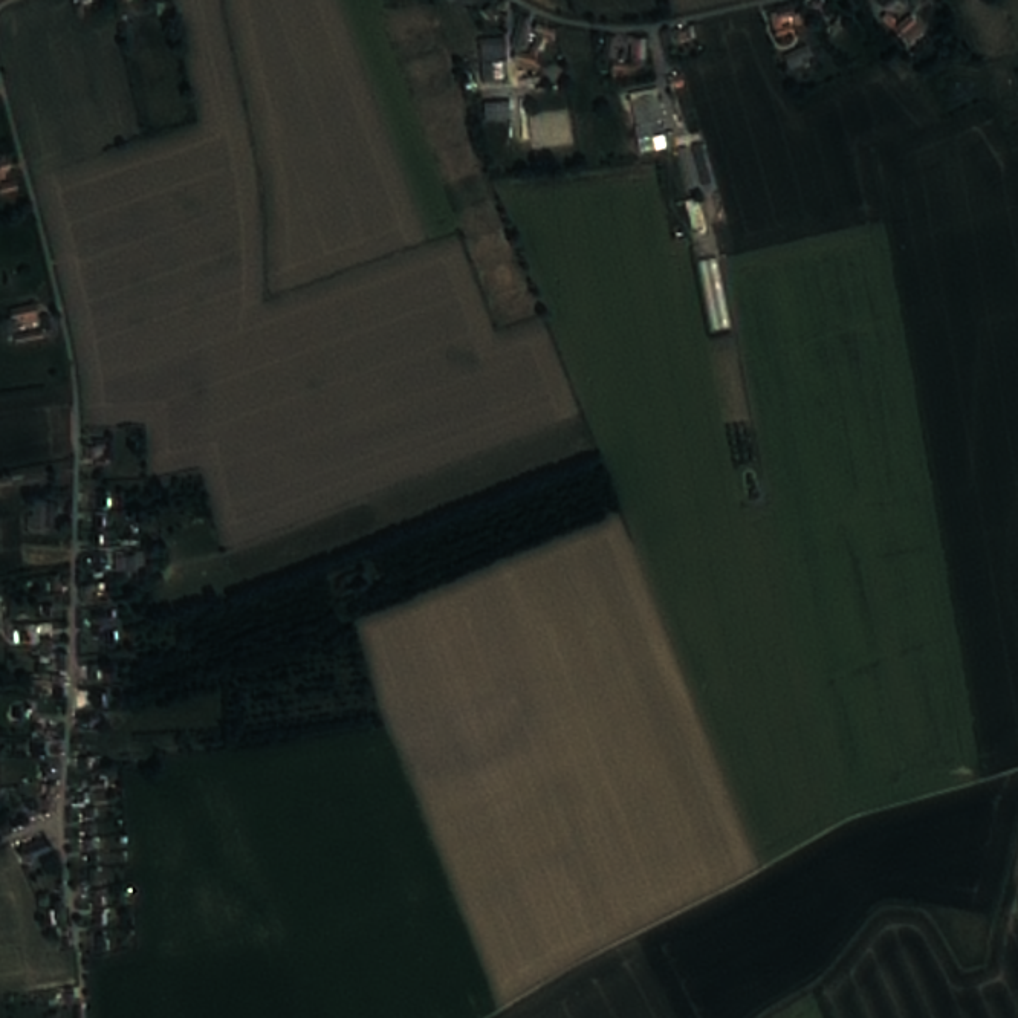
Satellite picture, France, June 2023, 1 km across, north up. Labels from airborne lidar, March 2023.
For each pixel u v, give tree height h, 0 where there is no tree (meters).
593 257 0
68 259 0
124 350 0
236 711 10
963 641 0
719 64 0
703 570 0
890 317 0
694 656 0
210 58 0
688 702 0
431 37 0
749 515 0
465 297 0
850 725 0
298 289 0
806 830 0
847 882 0
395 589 13
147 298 0
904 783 0
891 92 0
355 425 0
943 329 0
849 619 0
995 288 0
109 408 0
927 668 0
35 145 0
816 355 0
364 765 0
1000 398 0
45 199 0
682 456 0
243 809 0
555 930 0
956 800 0
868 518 0
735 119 0
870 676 0
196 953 0
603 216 0
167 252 0
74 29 0
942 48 17
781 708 0
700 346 0
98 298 0
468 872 0
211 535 0
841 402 0
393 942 0
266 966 0
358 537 0
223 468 0
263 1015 0
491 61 0
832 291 0
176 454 0
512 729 0
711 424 0
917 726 0
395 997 0
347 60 0
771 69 0
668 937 0
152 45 0
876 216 0
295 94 0
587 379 0
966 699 0
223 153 0
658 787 0
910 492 0
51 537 0
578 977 0
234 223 0
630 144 0
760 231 0
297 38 0
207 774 0
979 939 0
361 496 0
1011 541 0
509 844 0
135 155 0
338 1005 0
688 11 0
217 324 0
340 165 0
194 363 0
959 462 0
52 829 0
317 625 12
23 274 10
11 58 0
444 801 0
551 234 0
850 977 0
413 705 0
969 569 0
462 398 0
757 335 0
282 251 0
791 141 0
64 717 0
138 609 10
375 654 0
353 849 0
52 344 0
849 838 0
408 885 0
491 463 0
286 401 0
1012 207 0
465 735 0
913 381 0
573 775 0
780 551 0
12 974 0
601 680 0
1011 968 0
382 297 0
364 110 0
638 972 0
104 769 12
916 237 0
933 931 0
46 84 0
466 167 0
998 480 0
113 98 0
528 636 0
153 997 0
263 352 0
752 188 0
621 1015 0
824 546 0
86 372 0
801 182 0
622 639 0
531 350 0
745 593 0
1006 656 0
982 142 0
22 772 0
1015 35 0
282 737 12
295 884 0
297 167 0
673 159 0
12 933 0
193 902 0
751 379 0
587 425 0
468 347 0
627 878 0
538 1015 0
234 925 0
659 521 0
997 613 0
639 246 0
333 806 0
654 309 0
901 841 0
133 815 0
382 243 0
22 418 0
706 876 0
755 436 0
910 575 0
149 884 0
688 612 0
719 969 0
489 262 0
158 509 5
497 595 0
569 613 0
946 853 0
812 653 0
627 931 0
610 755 0
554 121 0
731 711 0
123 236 0
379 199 0
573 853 0
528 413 0
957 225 0
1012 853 0
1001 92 0
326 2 0
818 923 0
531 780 0
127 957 0
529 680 0
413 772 0
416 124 0
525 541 14
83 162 0
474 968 0
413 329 0
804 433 0
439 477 0
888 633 0
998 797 0
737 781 0
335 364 0
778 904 0
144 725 0
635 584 0
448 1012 0
